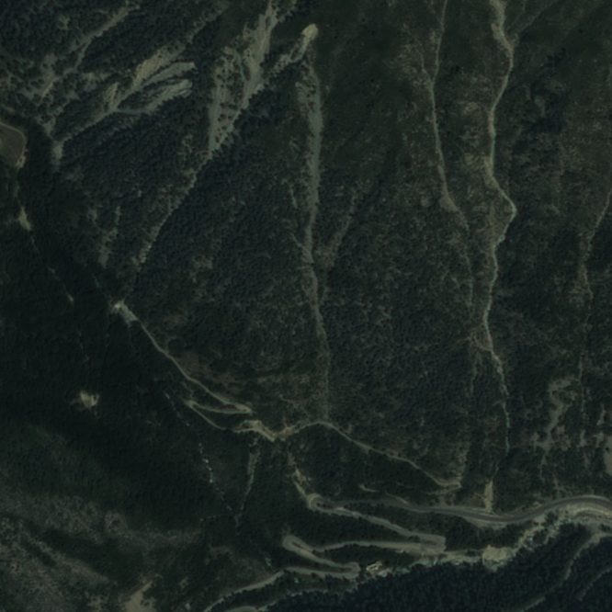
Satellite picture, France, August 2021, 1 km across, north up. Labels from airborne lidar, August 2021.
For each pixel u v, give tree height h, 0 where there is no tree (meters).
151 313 10
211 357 7
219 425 13
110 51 12
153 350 13
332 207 10
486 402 8
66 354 24
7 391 19
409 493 12
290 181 7
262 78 0
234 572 10
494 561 0
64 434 18
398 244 7
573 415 11
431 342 15
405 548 0
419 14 0
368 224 6
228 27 0
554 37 0
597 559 17
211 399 10
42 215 12
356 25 0
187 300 7
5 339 18
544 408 9
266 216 9
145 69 0
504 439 8
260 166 8
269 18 0
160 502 20
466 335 13
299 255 11
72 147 10
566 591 14
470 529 12
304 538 10
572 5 0
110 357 22
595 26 0
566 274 8
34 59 9
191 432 10
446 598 7
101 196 7
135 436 20
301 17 13
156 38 11
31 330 17
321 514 10
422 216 6
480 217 6
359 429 11
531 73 0
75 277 16
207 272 8
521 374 6
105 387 19
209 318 7
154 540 7
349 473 7
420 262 9
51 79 0
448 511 0
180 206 9
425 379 12
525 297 9
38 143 15
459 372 14
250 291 8
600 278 7
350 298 14
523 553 16
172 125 10
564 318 7
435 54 0
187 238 10
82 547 11
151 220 11
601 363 10
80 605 10
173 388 8
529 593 9
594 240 10
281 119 8
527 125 9
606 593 12
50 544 13
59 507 6
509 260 9
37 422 19
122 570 7
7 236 15
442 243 10
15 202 12
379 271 11
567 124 6
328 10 0
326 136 10
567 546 13
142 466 24
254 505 7
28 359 22
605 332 6
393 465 6
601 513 0
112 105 0
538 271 10
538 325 6
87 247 9
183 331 9
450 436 13
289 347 7
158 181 10
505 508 9
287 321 14
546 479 8
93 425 23
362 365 17
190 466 10
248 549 16
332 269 9
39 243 18
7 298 14
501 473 8
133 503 13
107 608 6
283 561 16
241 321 10
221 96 0
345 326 9
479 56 0
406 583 12
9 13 10
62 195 9
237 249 9
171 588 10
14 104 7
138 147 10
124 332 14
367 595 22
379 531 12
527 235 6
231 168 15
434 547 0
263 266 12
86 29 10
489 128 0
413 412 13
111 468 17
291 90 0
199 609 9
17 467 9
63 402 17
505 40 0
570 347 12
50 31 11
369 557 17
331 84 0
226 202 7
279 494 6
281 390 6
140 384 16
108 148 21
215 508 12
